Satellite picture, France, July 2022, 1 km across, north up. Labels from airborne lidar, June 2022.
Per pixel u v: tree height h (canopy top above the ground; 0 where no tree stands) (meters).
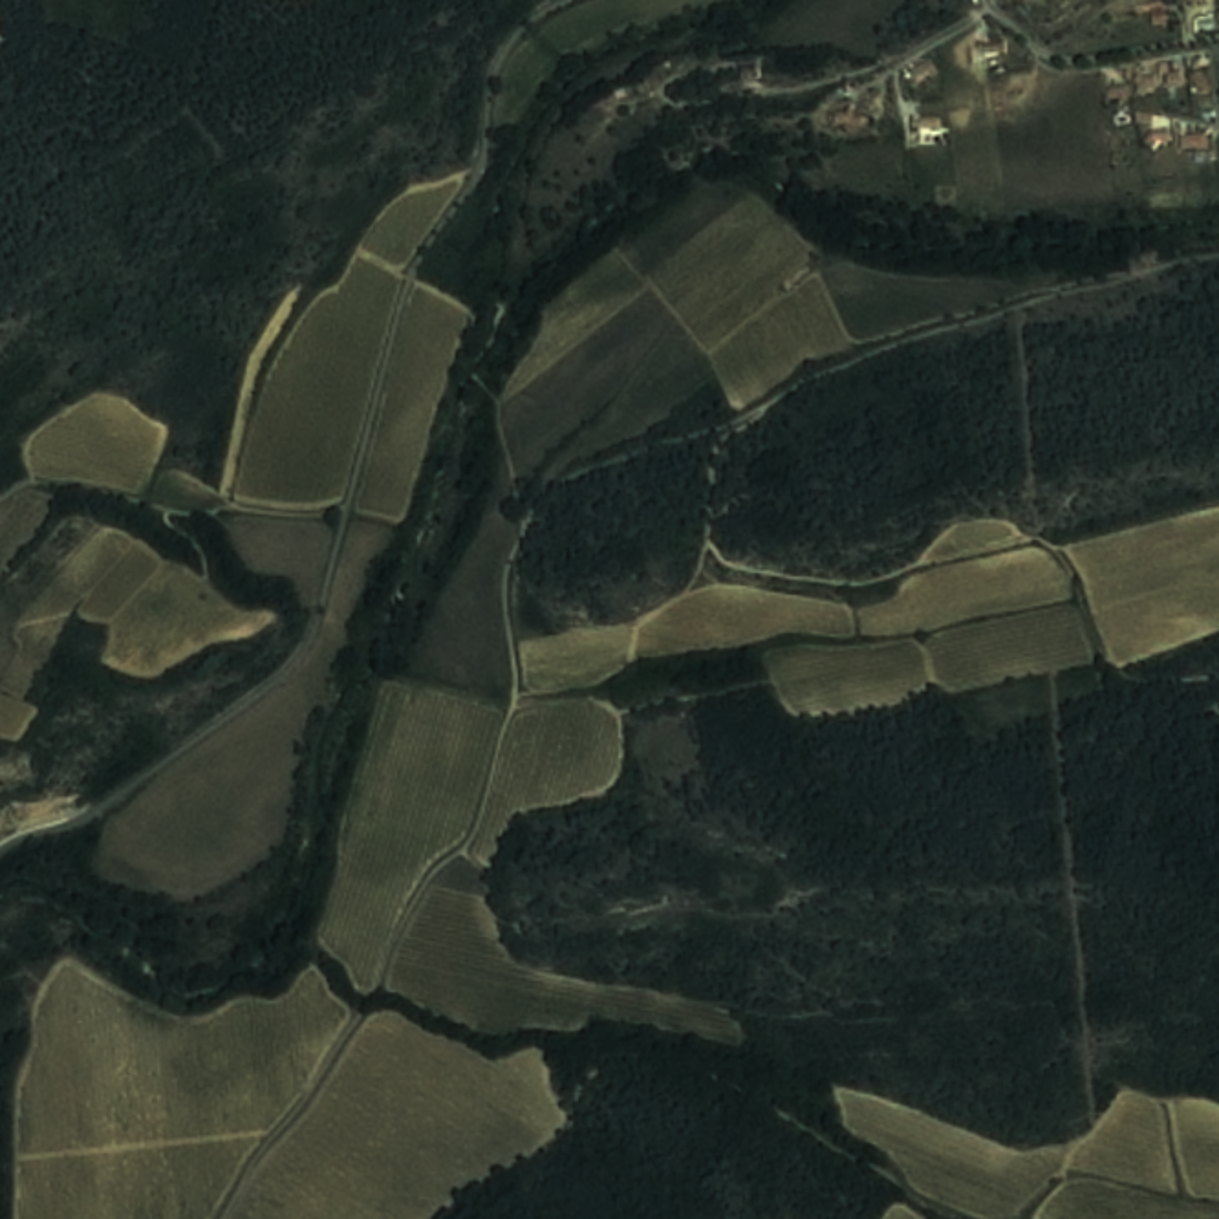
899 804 14
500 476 0
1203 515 0
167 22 9
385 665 22
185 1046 0
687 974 7
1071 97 0
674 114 9
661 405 0
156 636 0
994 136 0
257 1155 0
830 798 14
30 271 10
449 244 6
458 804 0
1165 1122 0
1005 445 12
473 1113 0
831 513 8
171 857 0
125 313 13
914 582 0
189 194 11
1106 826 8
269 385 0
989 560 0
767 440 12
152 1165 0
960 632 0
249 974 10
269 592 14
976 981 7
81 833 8
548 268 14
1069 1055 9
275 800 0
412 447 0
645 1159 7
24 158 18
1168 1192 0
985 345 8
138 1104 0
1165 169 0
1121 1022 9
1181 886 8
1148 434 12
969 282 0
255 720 0
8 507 0
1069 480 9
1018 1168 0
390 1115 0
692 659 11
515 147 22
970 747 13
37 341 6
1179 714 12
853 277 0
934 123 0
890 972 7
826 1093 10
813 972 6
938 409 9
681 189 13
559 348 0
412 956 0
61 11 0
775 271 0
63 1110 0
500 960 0
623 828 13
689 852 10
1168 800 11
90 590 0
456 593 0
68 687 8
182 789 0
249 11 17
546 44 0
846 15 0
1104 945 8
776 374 0
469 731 0
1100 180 0
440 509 0
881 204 19
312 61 15
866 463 10
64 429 0
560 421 0
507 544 0
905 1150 0
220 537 10
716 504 13
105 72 15
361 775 0
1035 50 0
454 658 0
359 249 0
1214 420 14
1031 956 6
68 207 17
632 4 0
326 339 0
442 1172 0
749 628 0
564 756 0
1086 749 10
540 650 0
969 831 10
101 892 11
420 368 0
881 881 6
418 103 8
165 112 13
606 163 0
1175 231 13
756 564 0
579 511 13
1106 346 12
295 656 0
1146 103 0
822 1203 9
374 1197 0
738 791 10
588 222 13
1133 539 0
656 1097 12
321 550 0
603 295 0
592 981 7
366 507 0
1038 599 0
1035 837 13
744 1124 8
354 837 0
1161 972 8
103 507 11
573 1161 8
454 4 6
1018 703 0
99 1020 0
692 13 10
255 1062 0
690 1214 9
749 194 0
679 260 0
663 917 0
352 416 0
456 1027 17
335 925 0
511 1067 0
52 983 0
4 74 11
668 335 0
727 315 0
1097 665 8
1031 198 0
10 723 0
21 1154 0
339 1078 0
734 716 8
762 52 7
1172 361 13
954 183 0
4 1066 11
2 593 0
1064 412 10
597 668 0
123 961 11
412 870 0
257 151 11
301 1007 0
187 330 7
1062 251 13
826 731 11
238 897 0
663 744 0
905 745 14
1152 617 0
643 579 9
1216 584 0
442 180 0
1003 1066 5
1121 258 9
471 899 0
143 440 0
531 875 8
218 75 15
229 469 0
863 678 0
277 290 19
